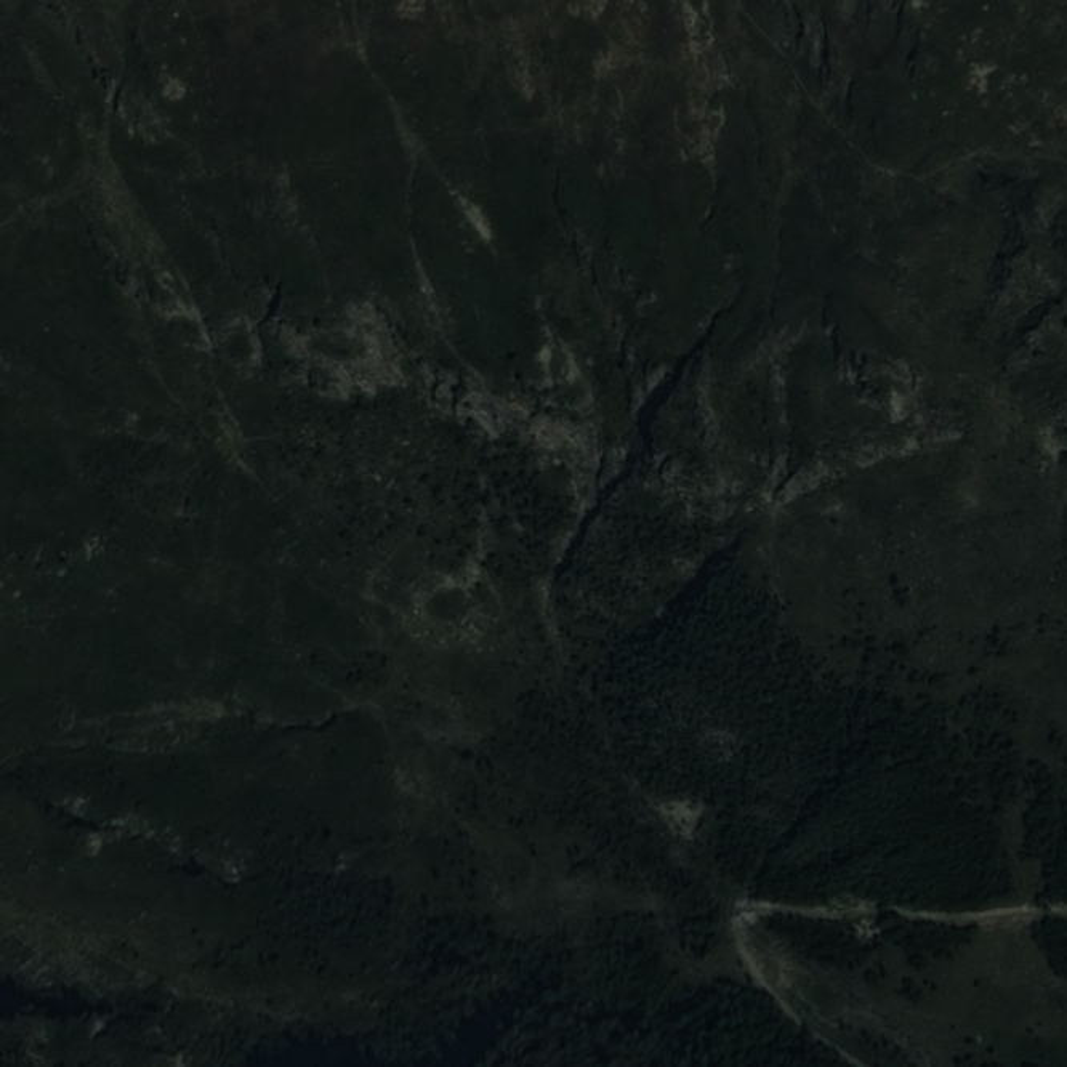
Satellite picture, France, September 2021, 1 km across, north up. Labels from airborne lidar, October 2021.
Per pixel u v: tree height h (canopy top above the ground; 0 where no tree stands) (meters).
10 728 0
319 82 0
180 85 0
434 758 0
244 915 0
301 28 0
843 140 0
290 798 0
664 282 0
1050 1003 0
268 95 0
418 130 0
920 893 16
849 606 0
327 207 0
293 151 0
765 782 12
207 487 0
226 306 0
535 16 0
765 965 0
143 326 0
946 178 0
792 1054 10
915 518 0
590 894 0
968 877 15
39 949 0
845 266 0
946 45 0
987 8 0
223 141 0
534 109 0
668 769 10
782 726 11
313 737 0
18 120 0
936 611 0
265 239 0
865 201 0
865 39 0
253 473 0
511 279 0
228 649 0
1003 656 10
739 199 0
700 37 0
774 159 0
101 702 0
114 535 0
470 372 0
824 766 12
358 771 0
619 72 0
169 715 0
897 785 10
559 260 0
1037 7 0
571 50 0
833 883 14
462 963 7
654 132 0
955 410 8
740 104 0
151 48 0
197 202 0
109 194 0
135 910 0
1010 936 0
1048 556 0
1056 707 0
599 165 0
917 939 13
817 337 0
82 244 0
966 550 0
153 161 0
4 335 0
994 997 0
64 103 0
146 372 0
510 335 0
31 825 0
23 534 0
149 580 0
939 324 0
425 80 0
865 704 15
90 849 0
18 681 0
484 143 0
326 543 0
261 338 9
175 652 0
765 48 0
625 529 8
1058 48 0
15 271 0
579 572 7
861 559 0
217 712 0
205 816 0
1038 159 0
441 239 0
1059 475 0
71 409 0
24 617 0
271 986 0
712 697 9
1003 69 0
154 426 0
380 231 0
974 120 0
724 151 0
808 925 13
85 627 0
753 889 6
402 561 0
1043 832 13
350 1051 7
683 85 0
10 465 0
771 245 0
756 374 0
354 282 0
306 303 0
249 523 0
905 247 0
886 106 0
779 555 0
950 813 14
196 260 0
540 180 0
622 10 0
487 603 0
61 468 0
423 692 0
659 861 6
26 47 0
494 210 0
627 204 0
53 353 0
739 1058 16
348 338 0
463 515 11
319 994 0
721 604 8
